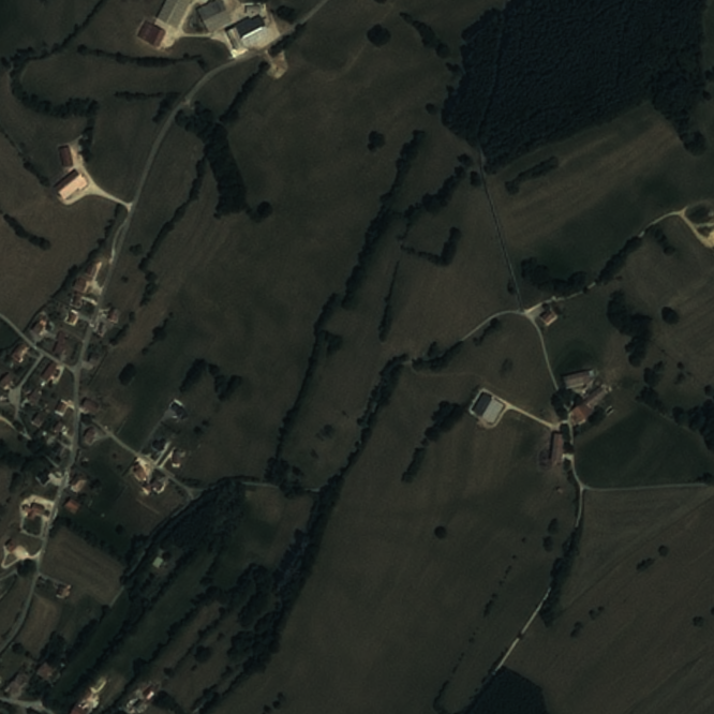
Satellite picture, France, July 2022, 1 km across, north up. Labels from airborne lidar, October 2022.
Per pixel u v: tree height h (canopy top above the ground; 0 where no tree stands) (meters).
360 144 0
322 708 0
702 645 0
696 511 0
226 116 9
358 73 0
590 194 0
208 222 0
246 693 0
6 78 0
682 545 0
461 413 16
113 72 0
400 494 0
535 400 0
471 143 13
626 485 0
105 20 0
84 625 0
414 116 0
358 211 0
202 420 0
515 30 22
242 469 0
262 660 13
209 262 0
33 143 0
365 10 0
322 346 7
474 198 0
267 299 0
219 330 0
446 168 0
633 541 0
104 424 0
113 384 0
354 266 0
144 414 0
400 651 0
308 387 7
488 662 0
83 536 15
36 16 0
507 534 0
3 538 0
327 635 0
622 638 0
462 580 0
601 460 0
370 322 0
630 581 0
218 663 0
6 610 0
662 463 0
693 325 0
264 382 0
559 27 22
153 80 0
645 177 0
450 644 0
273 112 0
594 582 0
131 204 0
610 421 0
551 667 0
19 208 0
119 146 0
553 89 25
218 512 20
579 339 0
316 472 0
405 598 0
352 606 0
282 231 0
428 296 0
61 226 0
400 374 16
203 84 0
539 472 0
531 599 0
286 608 13
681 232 0
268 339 0
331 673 0
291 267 0
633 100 21
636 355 12
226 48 0
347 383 0
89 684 19
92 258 7
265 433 0
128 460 0
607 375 0
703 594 0
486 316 0
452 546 0
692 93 28
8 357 6
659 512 0
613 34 22
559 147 0
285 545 0
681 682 0
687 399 0
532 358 0
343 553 0
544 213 0
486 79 25
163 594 13
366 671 0
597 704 0
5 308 0
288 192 0
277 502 0
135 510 0
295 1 0
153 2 0
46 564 0
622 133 0
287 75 0
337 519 0
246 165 0
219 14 0
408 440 0
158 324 0
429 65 0
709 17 0
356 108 0
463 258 0
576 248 0
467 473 0
